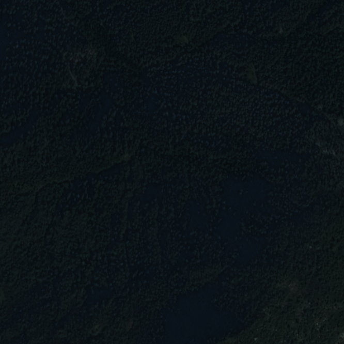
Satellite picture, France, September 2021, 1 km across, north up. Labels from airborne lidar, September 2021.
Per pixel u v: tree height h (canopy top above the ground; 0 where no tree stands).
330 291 9
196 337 7
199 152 17
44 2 29
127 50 26
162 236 6
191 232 9
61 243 10
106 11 34
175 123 8
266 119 25
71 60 31
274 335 7
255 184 13
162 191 8
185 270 7
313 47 8
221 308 6
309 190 9
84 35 17
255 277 7
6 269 7
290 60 14
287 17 23
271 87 23
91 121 14
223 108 18
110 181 10
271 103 27
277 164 9
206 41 17
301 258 9
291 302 7
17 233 8
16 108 7
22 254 10
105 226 8
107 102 13
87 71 29
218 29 28
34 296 8
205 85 20
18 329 6
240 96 23
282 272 6
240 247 9
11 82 23
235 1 7
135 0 31
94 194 12
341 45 9
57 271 10
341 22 24
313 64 12
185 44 0
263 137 20
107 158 25
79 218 23
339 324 11
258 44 11
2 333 6
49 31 13
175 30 23
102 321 6
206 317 8
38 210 7
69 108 15
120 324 9
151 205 8
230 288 9
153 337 6
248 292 7
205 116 18
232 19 18
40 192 8
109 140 13
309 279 9
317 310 6
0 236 11
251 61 18
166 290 7
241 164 9
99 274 9
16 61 29
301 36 13
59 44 34
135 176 6
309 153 14
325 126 12
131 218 9
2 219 10
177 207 10
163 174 9
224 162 8
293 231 5
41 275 7
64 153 13
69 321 7
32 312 6
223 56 31
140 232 8
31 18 30
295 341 8
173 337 9
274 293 6
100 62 10
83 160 12
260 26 31
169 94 19
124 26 29
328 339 8
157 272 9
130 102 16
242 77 8
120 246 11
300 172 9
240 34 7
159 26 23
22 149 13
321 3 12
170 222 9
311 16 15
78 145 13
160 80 29
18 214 9
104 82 15
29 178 11
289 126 25
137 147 8
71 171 13
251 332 7
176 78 24
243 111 24
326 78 14
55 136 14
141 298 7
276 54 17
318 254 9
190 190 9
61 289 8
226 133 15
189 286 8
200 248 9
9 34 22
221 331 9
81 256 10
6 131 23
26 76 10
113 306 8
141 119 14
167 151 17
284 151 8
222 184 9
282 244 10
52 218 9
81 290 8
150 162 10
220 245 10
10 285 11
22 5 28
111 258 9
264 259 7
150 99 8
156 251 8
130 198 7
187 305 9
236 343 8
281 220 9
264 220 10
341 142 8
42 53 18
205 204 8
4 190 9
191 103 17
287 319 6
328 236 11
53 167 12
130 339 6
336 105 8
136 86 12
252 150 7
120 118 13
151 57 26
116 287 7
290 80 18
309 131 15
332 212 7
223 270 11
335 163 13
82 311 7
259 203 8
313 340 9
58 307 7
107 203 11
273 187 8
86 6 6
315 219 7
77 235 10
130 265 9
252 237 9
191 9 28
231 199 9
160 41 23
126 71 13
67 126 10
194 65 30
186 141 15
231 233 7
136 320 6
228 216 6
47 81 33
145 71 16
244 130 14
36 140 30
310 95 14
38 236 11
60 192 13
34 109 11
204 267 6
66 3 23
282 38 7
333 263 8
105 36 16
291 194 9
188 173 10
